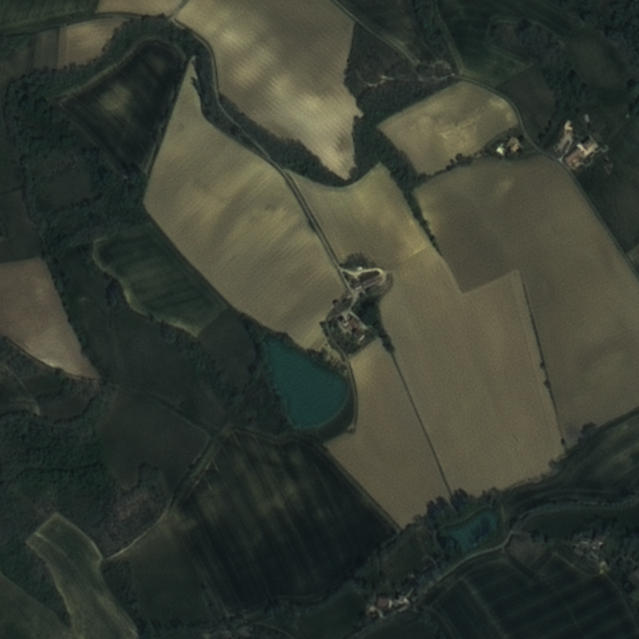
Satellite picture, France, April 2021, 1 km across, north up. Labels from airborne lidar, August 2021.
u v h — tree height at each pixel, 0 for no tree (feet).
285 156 52
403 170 55
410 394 0
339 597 41
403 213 0
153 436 0
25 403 0
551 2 0
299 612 38
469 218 0
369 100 41
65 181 0
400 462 0
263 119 0
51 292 0
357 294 0
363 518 0
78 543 0
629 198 0
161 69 0
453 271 0
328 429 0
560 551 0
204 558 0
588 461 0
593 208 0
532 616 0
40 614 0
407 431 0
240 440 0
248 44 0
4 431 57
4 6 0
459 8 0
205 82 64
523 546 0
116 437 0
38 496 40
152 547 0
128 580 31
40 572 55
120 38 64
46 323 0
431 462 0
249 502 0
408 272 0
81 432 57
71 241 78
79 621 0
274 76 0
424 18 47
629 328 0
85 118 0
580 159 44
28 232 0
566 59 63
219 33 0
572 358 0
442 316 0
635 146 0
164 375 0
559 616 0
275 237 0
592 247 0
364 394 0
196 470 40
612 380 0
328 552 0
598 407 0
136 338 0
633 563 23
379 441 0
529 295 0
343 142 0
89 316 0
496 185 0
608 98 0
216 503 0
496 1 0
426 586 57
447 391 0
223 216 0
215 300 0
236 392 34
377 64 27
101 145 0
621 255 0
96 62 30
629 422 0
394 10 0
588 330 0
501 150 0
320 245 0
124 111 0
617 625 0
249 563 0
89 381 31
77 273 0
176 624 0
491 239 0
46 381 0
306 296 0
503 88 0
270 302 0
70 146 47
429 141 0
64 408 0
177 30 31
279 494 0
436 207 0
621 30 21
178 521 0
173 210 0
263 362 65
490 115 0
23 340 0
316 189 0
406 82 24
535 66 0
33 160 50
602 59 0
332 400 0
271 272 0
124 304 42
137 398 0
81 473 19
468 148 0
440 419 0
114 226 61
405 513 0
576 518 0
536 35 72
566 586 0
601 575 0
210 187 0
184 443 0
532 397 0
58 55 0
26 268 0
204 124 0
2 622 0
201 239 0
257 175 0
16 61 0
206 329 0
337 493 0
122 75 0
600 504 27
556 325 0
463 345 0
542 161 0
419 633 0
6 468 38
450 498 0
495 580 0
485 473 0
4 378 0
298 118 0
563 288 0
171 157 0
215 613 38
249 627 45
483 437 0
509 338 0
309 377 0
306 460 0
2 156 0
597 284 0
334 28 0
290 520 0
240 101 0
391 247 0
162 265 0
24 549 54
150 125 0
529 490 0
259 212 0
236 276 0
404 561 0
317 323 0
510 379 0
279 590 0
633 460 0
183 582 0
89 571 0
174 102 21
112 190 24
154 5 0
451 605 0
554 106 0
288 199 0
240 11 0
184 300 0
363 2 0
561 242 0
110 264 0
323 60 0
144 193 37
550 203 0
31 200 64
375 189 0
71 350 0
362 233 0
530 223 0
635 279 0
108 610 0
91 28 0
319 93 0
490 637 0
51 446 33
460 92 0
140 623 18
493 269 0
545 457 0
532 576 0
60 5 0
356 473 0
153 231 0
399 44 0
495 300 0
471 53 0
